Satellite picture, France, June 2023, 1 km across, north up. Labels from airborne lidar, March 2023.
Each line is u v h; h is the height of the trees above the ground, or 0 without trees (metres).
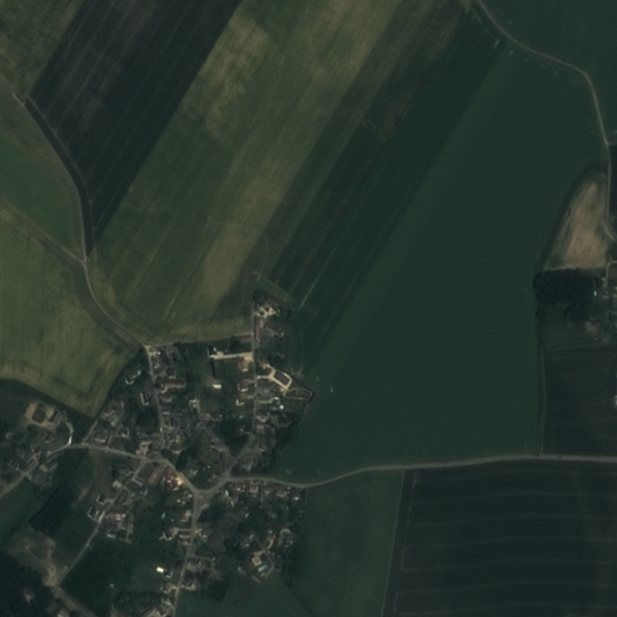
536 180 0
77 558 0
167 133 0
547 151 0
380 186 0
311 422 0
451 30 0
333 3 0
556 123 0
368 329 0
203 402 0
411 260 0
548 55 0
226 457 0
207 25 0
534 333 0
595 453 0
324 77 0
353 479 0
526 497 0
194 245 0
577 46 0
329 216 0
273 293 0
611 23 0
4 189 0
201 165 0
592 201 0
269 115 0
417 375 0
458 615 0
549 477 0
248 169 0
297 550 13
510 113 0
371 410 0
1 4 0
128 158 0
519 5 0
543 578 0
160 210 0
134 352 0
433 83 0
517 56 0
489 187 0
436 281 0
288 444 17
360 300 0
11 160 0
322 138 0
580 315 21
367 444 0
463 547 0
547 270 0
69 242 0
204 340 0
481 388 0
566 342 0
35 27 0
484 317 0
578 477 0
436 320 0
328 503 0
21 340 0
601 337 0
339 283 0
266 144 0
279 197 0
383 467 0
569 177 0
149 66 0
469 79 0
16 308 0
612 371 0
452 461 0
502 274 0
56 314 0
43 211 0
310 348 0
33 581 16
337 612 0
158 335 0
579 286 16
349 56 0
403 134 0
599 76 0
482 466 0
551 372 0
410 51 0
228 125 0
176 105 0
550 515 0
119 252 0
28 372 0
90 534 0
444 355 0
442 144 0
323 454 0
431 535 0
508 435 0
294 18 0
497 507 0
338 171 0
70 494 10
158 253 0
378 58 0
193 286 0
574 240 0
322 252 0
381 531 0
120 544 0
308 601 0
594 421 0
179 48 0
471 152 0
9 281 0
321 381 0
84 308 0
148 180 0
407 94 0
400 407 0
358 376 0
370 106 0
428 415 0
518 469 0
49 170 0
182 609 0
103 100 0
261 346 0
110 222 0
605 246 0
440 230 0
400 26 0
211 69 0
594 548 0
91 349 0
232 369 0
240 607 0
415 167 0
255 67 0
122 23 0
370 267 0
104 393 0
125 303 0
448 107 0
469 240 0
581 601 0
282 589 0
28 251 0
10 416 0
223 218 0
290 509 7
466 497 0
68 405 0
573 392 0
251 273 0
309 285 0
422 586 0
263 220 0
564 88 0
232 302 0
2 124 0
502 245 0
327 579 0
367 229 0
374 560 0
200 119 0
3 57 0
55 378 0
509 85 0
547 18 0
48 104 0
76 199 0
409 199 0
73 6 0
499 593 0
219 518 11
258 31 0
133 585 0
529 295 0
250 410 0
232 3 0
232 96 0
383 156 0
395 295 0
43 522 13
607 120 0
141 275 0
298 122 0
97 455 0
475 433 0
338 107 0
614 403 0
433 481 0
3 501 0
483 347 0
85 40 0
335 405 0
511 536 0
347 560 0
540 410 0
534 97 0
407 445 0
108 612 0
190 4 0
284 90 0
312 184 0
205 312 0
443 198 0
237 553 14
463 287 0
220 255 0
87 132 0
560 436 0
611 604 0
